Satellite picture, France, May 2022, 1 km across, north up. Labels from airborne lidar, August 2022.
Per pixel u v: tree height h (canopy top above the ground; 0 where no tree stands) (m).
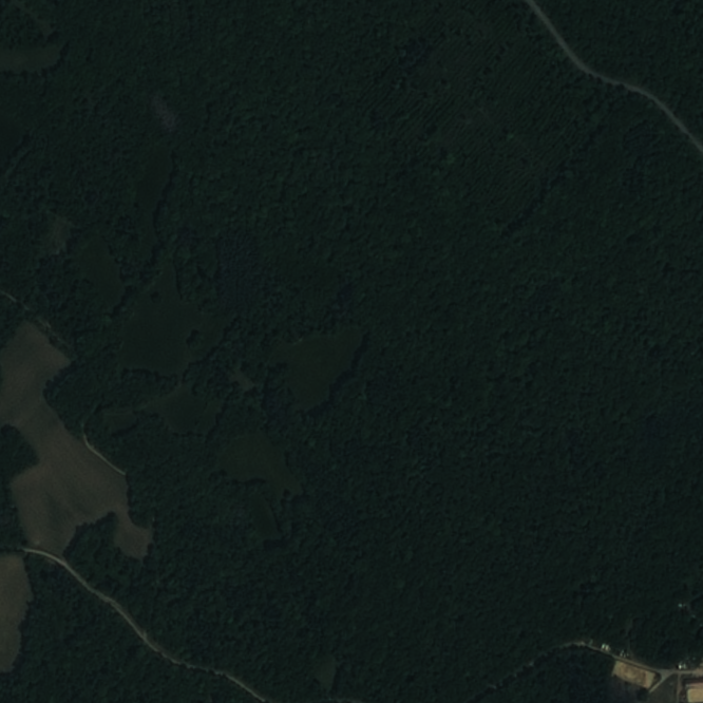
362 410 19
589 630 17
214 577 17
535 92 10
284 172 17
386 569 18
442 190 24
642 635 14
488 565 18
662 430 20
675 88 11
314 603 22
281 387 18
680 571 17
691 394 16
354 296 20
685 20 11
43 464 0
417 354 17
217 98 12
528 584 16
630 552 8
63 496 0
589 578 23
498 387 21
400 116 14
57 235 0
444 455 19
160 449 14
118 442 18
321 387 0
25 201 18
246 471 0
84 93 8
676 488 16
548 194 18
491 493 13
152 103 18
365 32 16
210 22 14
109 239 15
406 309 16
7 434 17
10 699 22
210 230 21
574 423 19
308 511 17
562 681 17
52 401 17
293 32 20
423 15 11
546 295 18
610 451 13
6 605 0
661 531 17
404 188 19
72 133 13
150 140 17
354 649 22
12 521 10
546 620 16
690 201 20
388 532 18
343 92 18
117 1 16
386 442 14
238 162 18
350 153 21
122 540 0
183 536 19
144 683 16
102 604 16
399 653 19
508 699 17
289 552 18
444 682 15
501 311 22
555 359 16
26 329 0
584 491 17
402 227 22
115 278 0
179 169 15
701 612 14
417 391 18
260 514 0
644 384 16
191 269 20
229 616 18
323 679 0
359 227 22
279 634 17
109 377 14
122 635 18
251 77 20
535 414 19
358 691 15
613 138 12
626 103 17
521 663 14
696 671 0
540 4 14
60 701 19
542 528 25
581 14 14
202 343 13
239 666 16
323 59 13
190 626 22
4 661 0
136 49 18
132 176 19
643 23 16
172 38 15
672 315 13
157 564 15
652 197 11
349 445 16
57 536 0
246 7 14
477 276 20
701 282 12
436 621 13
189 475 16
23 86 9
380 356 16
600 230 19
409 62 18
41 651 18
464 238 22
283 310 17
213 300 12
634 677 0
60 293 11
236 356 15
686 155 15
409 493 14
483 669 14
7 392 0
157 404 0
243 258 18
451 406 19
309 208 21
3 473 14
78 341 19
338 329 17
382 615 19
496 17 8
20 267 15
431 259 19
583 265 16
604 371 17
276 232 13
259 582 18
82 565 21
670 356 15
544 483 18
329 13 17
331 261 17
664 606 15
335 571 20
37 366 0
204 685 18
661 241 19
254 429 11
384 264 18
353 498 15
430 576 16
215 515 17
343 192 24
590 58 21
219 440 16
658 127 16
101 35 19
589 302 18
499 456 20
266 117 20
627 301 11
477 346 16
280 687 15
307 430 20
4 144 0
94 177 17
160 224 19
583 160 18
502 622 16
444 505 17
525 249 17
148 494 13
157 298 10
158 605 16
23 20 8
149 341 0
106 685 20
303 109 17
